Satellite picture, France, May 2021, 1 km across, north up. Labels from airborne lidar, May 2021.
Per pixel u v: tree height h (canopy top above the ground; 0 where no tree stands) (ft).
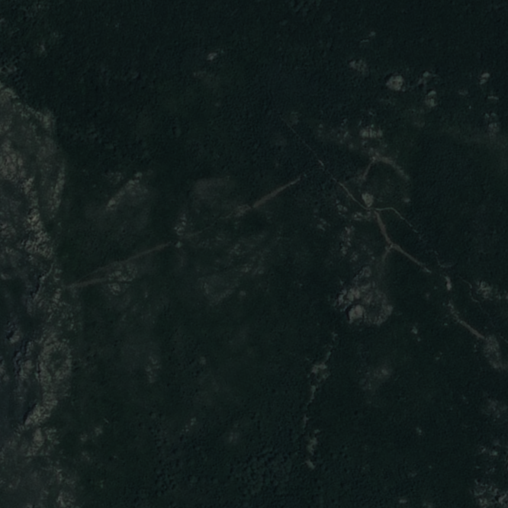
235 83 27
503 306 22
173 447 21
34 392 0
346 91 33
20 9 53
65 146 27
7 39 49
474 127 21
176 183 21
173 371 18
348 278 17
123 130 43
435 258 32
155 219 18
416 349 20
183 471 28
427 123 32
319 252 19
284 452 37
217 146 28
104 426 17
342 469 18
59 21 42
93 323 24
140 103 47
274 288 18
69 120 38
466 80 33
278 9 51
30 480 0
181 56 38
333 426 24
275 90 34
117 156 37
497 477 21
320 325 18
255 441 21
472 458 26
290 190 24
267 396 18
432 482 22
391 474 28
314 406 44
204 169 21
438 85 48
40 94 39
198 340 20
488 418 23
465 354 21
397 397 24
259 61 26
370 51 47
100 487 19
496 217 44
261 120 37
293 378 25
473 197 21
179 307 20
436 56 45
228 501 37
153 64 47
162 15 45
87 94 68
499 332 34
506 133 18
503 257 45
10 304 0
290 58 39
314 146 26
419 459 20
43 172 0
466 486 24
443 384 20
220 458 33
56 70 63
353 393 21
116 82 69
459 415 20
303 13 59
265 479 81
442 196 37
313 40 54
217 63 31
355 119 18
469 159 21
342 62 36
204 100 29
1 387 0
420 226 34
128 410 17
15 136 0
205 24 40
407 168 20
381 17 52
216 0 44
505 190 18
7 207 0
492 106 39
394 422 23
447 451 24
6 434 0
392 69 46
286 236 18
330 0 60
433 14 48
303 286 19
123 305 0
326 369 21
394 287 18
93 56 52
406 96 43
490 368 19
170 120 27
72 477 0
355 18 48
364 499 36
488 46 42
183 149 18
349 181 46
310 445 38
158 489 20
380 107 40
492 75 31
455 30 40
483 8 38
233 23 45
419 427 25
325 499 22
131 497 25
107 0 35
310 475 30
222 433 18
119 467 18
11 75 34
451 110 34
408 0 34
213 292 0
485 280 36
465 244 24
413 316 20
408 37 46
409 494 27
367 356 20
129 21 46
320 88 43
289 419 22
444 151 37
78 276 21
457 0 45
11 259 0
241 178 18
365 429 32
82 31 52
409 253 21
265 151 32
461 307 17
